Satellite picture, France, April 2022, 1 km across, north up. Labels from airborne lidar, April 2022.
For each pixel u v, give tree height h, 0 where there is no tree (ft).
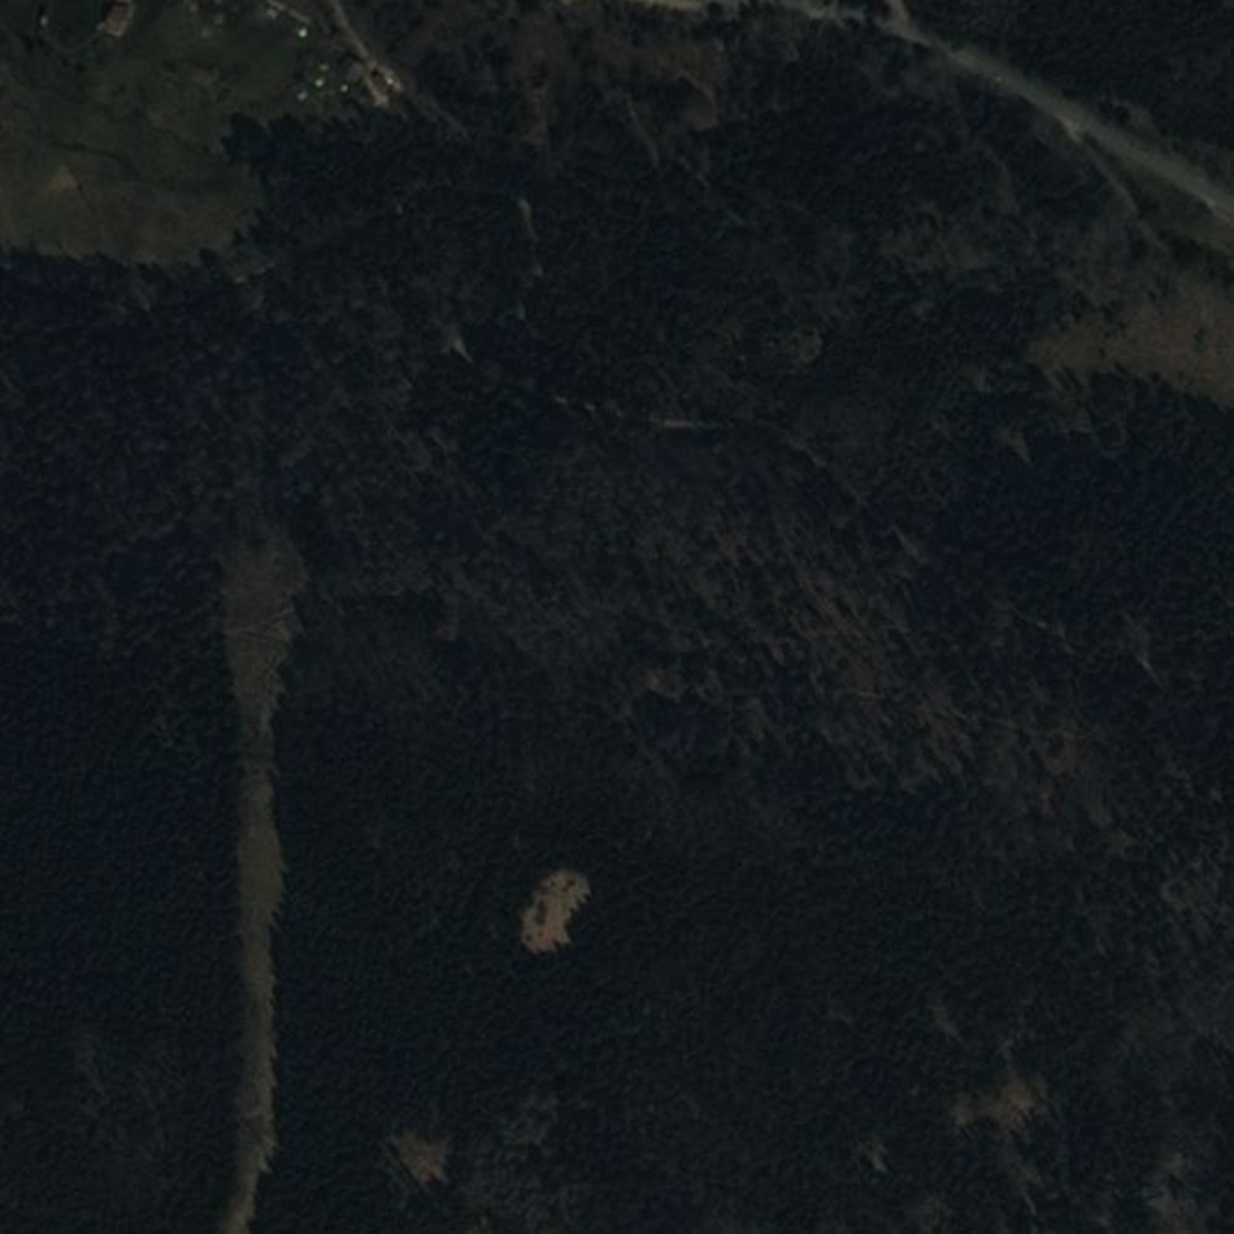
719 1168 54
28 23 0
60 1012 67
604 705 35
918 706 97
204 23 0
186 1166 64
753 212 60
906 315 41
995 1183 98
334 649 59
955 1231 90
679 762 53
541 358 49
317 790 74
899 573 35
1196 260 63
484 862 64
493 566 100
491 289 51
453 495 40
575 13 41
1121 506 81
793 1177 61
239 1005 72
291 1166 72
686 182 57
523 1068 56
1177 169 0
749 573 29
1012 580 89
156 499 114
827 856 69
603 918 68
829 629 104
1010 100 45
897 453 57
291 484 82
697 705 62
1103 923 38
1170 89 82
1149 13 73
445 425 77
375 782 76
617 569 80
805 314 31
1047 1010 82
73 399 106
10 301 62
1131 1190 64
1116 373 0
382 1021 62
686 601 50
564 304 56
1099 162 66
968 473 55
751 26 50
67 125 0
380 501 25
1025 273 79
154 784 73
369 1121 56
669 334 50
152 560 58
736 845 64
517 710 68
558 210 55
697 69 25
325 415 106
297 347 61
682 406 39
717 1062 82
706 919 82
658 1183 98
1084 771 40
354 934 70
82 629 98
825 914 45
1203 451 89
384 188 81
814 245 57
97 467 135
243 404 101
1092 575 73
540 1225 89
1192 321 0
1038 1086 75
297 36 0
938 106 72
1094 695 108
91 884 78
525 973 83
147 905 83
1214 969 120
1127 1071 59
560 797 79
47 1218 73
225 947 73
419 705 70
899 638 25
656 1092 70
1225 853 92
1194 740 119
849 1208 79
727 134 47
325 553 35
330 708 45
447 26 33
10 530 57
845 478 64
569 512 94
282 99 0
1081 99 60
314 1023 79
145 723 73
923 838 65
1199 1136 75
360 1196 66
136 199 0
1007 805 33
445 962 82
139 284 43
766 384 25
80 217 0
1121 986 55
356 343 122
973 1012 83
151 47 0
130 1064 77
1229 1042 50
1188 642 28
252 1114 0
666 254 64
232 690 41
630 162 64
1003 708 119
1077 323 69
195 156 0
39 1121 73
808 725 95
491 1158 89
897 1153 75
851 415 59
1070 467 90
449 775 74
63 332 58
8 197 0
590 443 90
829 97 73
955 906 87
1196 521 80
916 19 56
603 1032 79
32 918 56
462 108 23
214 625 81
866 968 75
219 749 78
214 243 0
